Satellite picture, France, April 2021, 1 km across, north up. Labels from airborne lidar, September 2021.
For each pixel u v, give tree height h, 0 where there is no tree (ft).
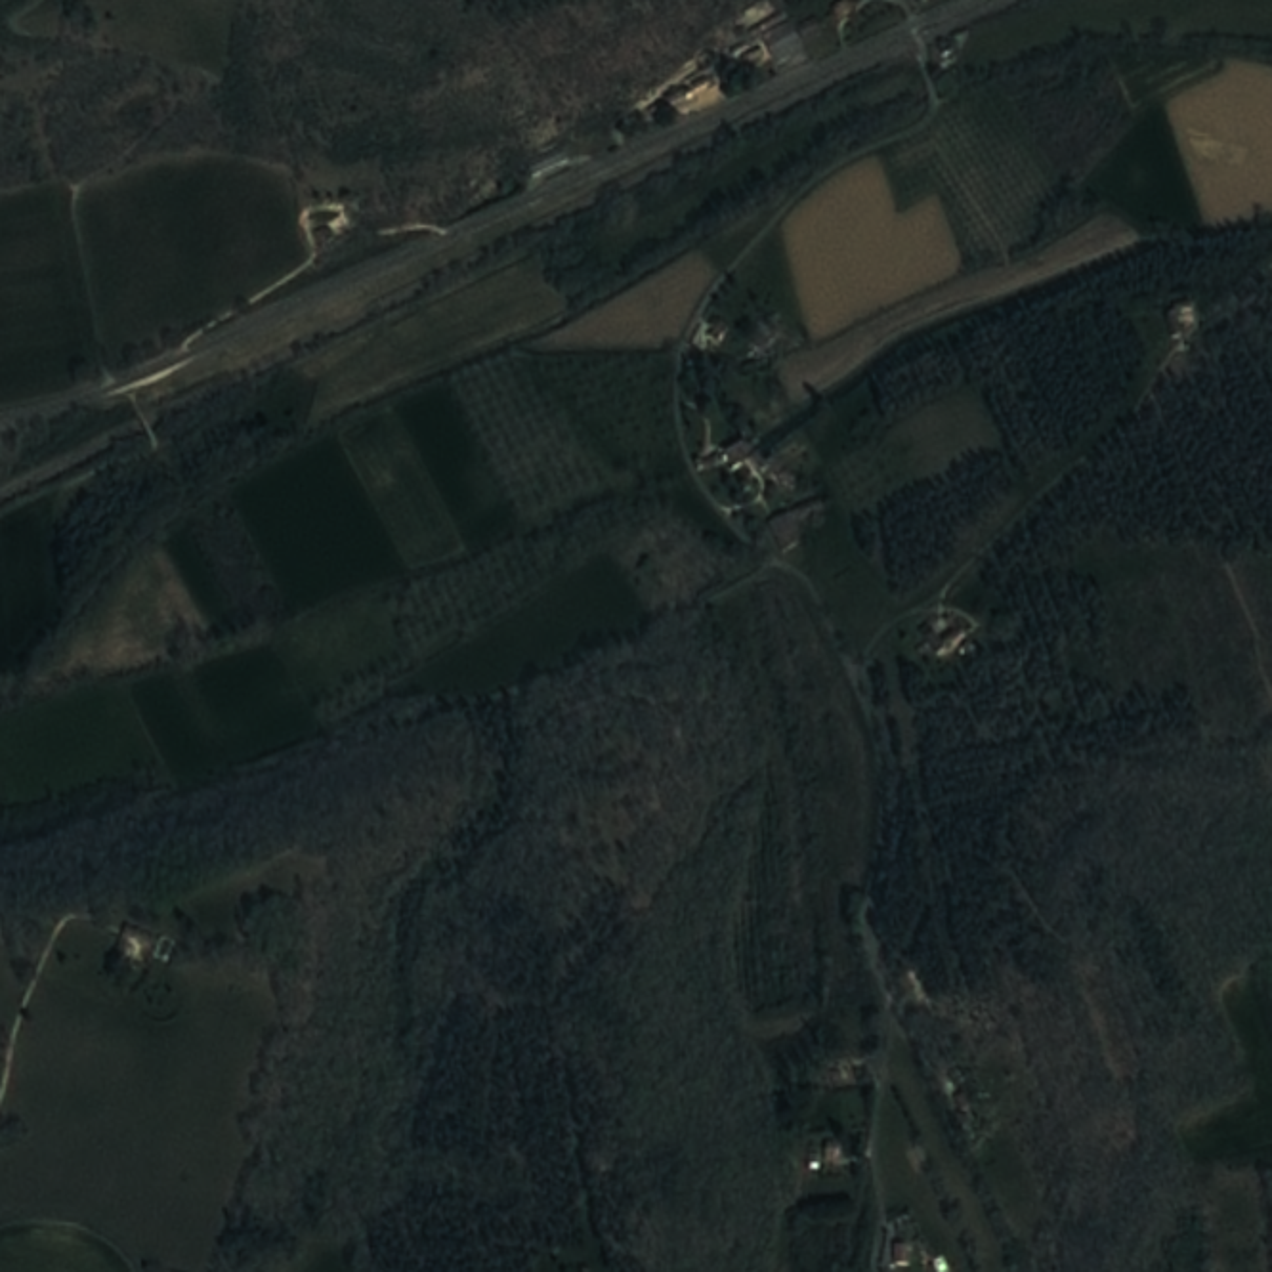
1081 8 0
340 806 54
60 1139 0
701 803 73
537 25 34
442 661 0
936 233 0
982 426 0
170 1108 0
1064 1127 37
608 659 72
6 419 0
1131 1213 61
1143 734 65
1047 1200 20
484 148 28
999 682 44
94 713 0
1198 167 0
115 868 56
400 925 50
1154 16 0
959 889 37
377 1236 67
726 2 40
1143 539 57
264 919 61
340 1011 52
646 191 23
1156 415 49
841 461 30
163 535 66
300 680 0
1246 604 0
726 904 71
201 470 65
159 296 0
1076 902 53
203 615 0
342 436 0
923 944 33
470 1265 62
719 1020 69
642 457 35
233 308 25
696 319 0
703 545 42
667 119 53
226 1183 0
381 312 24
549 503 42
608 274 45
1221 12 0
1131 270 63
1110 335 38
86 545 65
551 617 0
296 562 0
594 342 0
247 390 52
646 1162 70
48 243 0
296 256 0
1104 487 54
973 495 58
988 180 57
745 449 0
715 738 38
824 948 34
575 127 25
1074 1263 37
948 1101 27
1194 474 63
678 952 71
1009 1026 30
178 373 0
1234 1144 0
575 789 53
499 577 50
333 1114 66
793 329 0
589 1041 73
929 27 0
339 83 0
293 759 43
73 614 55
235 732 0
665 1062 73
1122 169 0
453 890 57
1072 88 45
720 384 52
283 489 0
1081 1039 38
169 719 0
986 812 40
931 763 56
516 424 53
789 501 21
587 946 50
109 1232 0
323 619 0
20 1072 0
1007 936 58
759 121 23
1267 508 52
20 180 60
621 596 0
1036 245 38
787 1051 0
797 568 0
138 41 0
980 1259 51
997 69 46
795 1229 36
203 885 36
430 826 43
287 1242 69
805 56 0
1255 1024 0
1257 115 0
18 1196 0
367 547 0
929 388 57
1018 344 47
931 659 21
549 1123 51
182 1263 0
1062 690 43
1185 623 0
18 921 49
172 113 40
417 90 19
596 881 47
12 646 0
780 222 0
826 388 0
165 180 0
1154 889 67
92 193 0
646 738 51
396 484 0
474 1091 66
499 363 51
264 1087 60
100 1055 0
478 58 20
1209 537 57
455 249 0
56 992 0
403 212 34
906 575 57
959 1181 0
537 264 0
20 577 0
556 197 0
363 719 32
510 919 56
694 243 30
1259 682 0
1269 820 57
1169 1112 63
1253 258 54
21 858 60
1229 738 0
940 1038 52
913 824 57
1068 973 50
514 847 61
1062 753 37
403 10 0
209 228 0
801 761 29
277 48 37
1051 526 50
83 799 0
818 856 40
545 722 42
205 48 0
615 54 28
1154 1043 66
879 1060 53
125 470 38
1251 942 61
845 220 0
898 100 24
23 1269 0
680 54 26
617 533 51
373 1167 80
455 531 0
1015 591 38
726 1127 76
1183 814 49
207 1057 0
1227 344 40
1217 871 68
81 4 33
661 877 58
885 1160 0
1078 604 48
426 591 53
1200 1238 21
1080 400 73
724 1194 65
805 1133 51
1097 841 61
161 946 0
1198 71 0
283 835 41
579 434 21
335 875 49
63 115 50
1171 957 69
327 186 0
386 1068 61
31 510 0
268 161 38
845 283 0
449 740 52
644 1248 69
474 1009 37
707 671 51
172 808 36
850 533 0
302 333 0
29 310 0
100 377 51
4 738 0
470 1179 71
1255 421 55
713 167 50
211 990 0
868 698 30
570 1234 56
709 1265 57
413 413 0
